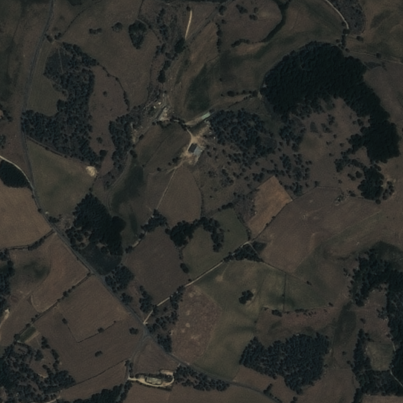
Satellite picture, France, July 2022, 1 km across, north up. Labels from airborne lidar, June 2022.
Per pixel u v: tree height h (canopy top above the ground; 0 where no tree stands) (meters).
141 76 0
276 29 7
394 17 0
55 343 0
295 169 0
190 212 0
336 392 0
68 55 0
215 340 0
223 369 0
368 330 0
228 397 0
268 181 0
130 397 0
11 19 0
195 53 0
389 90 0
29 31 0
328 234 0
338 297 0
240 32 0
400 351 14
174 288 0
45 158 0
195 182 0
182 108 0
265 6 0
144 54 0
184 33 0
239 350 0
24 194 0
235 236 0
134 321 0
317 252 0
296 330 0
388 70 0
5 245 0
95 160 18
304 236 0
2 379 15
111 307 0
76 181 0
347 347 0
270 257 0
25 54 0
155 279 0
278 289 0
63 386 12
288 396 0
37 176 0
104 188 0
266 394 12
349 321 0
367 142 15
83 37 0
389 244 0
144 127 0
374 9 0
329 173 0
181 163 0
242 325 0
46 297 0
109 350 0
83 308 0
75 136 13
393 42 0
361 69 17
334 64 19
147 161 0
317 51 19
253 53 0
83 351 0
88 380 0
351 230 0
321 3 0
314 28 0
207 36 0
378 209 0
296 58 14
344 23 12
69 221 0
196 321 0
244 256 8
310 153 0
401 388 16
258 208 0
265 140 0
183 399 0
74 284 0
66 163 0
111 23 0
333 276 0
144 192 0
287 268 0
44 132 20
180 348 0
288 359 20
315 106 7
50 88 0
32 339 0
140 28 11
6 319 0
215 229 10
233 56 0
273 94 22
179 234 14
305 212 0
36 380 15
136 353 0
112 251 11
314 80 18
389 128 18
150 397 0
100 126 0
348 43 0
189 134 0
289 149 0
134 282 0
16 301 0
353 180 9
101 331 14
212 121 14
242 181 0
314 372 16
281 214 0
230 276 0
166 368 0
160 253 0
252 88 0
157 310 13
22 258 0
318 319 0
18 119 0
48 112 0
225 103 0
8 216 0
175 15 0
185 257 0
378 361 0
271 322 0
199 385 10
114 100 0
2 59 0
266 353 16
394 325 17
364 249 0
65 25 0
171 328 0
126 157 0
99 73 0
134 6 0
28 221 0
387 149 18
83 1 0
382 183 11
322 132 0
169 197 0
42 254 0
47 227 0
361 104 17
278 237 0
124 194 0
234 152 0
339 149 0
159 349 0
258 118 22
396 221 0
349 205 0
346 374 0
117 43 0
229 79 0
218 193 0
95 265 0
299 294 0
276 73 16
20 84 0
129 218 0
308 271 0
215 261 0
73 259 0
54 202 0
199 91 0
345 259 0
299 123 0
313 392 0
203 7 0
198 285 0
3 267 0
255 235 0
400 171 0
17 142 0
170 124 6
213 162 0
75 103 17
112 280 18
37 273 0
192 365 0
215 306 0
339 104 0
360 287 0
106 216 19
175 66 0
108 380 0
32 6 0
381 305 0
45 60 0
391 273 15
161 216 14
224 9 14
